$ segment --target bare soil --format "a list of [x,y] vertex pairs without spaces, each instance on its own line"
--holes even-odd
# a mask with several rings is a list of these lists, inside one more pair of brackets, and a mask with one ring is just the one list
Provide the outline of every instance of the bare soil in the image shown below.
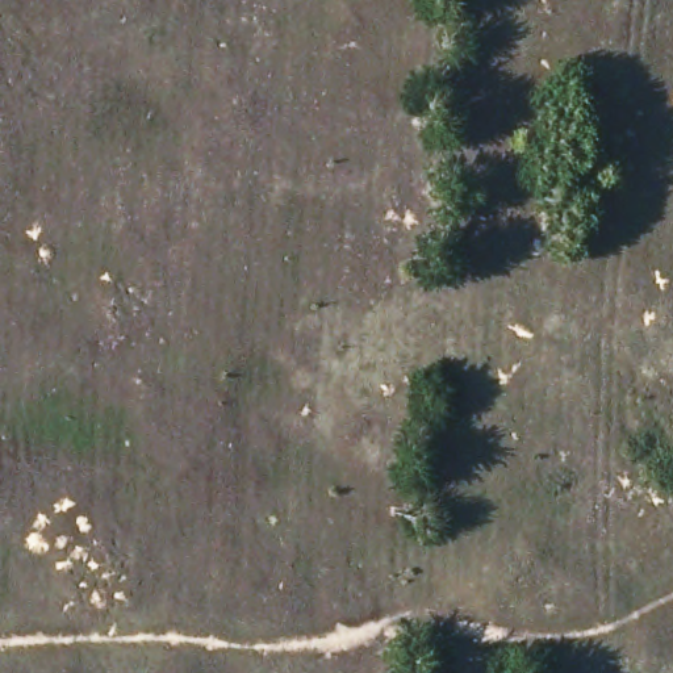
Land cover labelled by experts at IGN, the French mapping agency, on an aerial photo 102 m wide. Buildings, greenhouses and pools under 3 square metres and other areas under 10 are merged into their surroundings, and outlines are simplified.
[[47,542],[42,539],[42,534],[47,518],[37,515],[26,544],[34,552],[45,552]]
[[66,560],[55,563],[55,570],[68,570],[71,565],[76,565],[76,560],[81,560],[89,570],[97,568],[97,560],[87,555],[84,547],[76,547]]

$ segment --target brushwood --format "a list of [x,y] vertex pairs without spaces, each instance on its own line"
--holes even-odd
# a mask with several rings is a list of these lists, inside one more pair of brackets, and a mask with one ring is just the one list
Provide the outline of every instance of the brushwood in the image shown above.
[[460,145],[455,152],[436,168],[439,181],[434,184],[434,189],[442,197],[442,216],[434,221],[429,234],[418,234],[421,260],[413,260],[407,266],[407,273],[418,279],[421,289],[465,284],[457,263],[447,266],[442,260],[442,244],[450,229],[468,223],[465,216],[457,210],[463,189],[460,166],[468,163],[468,147]]
[[657,492],[673,494],[673,444],[660,429],[655,407],[647,407],[639,431],[628,426],[618,429],[618,436],[628,444],[631,460],[644,463],[647,473],[657,478]]
[[429,476],[426,431],[429,418],[444,413],[450,386],[442,381],[442,368],[431,363],[429,368],[413,371],[410,376],[407,418],[402,421],[400,436],[394,442],[397,463],[389,465],[392,484],[405,502],[392,505],[389,515],[394,515],[402,523],[402,534],[415,544],[442,547],[444,542],[436,534],[439,521],[434,515],[434,484]]

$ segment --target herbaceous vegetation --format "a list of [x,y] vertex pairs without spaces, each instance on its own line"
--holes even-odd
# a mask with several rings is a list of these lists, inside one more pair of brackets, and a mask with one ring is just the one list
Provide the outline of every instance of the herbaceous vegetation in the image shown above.
[[[176,631],[189,636],[216,636],[226,641],[281,641],[302,636],[326,636],[339,626],[355,628],[386,618],[397,610],[410,610],[410,618],[431,620],[429,649],[436,657],[436,668],[431,673],[489,673],[489,660],[497,652],[505,652],[505,641],[486,641],[484,634],[489,626],[505,631],[552,634],[555,639],[521,641],[518,647],[523,649],[526,660],[536,668],[534,673],[673,673],[673,602],[610,634],[594,639],[573,636],[576,628],[610,623],[641,607],[649,599],[673,592],[673,494],[657,492],[657,478],[647,473],[644,463],[631,460],[628,444],[618,436],[618,429],[628,426],[639,431],[647,407],[655,407],[660,429],[673,444],[673,0],[460,0],[460,13],[471,21],[471,32],[476,37],[473,58],[460,60],[455,68],[447,71],[452,97],[444,103],[444,108],[460,124],[460,145],[468,147],[468,163],[460,166],[463,189],[457,210],[465,216],[468,223],[450,229],[442,244],[442,260],[447,266],[457,263],[465,284],[421,289],[418,279],[407,273],[407,266],[413,260],[421,260],[418,234],[429,234],[434,221],[442,216],[442,197],[434,189],[434,184],[439,181],[436,168],[455,152],[426,150],[421,142],[421,118],[402,108],[405,81],[415,71],[421,74],[423,68],[436,68],[450,55],[455,42],[455,34],[444,24],[429,26],[415,16],[413,0],[0,0],[0,639],[29,634],[105,634],[108,628],[116,628],[118,634]],[[578,55],[584,58],[581,87],[589,95],[586,116],[594,124],[597,142],[592,168],[570,181],[578,192],[589,189],[599,197],[594,205],[586,205],[589,213],[597,213],[599,223],[584,237],[584,244],[570,252],[570,263],[557,266],[542,250],[544,231],[539,229],[536,218],[544,213],[544,200],[534,197],[518,181],[518,152],[526,147],[526,131],[521,129],[521,124],[536,118],[531,108],[531,92],[542,79],[549,76],[549,68],[560,71],[570,58]],[[431,363],[442,368],[442,381],[450,386],[444,413],[429,418],[426,431],[429,476],[434,484],[434,515],[439,521],[436,534],[444,542],[442,547],[415,544],[402,534],[402,523],[394,515],[389,515],[392,505],[405,502],[392,484],[389,465],[397,463],[394,442],[400,436],[402,421],[407,418],[410,376],[413,371],[429,368]],[[26,544],[37,515],[47,518],[42,534],[42,539],[47,542],[45,552],[34,552]],[[97,568],[89,570],[81,560],[76,560],[76,565],[71,565],[68,570],[55,570],[55,563],[66,560],[76,547],[84,547],[87,555],[97,560]]]
[[392,639],[373,636],[365,644],[339,652],[242,652],[152,641],[34,644],[0,649],[0,673],[384,673],[386,668],[381,655],[389,649]]

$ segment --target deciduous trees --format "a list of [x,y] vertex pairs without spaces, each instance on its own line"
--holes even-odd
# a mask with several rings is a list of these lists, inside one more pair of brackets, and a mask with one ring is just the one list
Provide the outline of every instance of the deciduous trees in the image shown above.
[[455,42],[450,55],[436,68],[423,68],[421,74],[415,71],[405,81],[402,108],[421,118],[421,142],[426,150],[455,152],[460,145],[460,124],[444,108],[444,103],[452,97],[447,71],[455,68],[460,60],[473,58],[476,37],[471,32],[471,21],[460,13],[460,0],[413,0],[415,16],[429,26],[444,24],[455,34]]
[[384,673],[431,673],[436,668],[436,657],[429,649],[431,620],[410,618],[400,620],[397,636],[392,639],[389,649],[381,655],[386,668]]
[[526,660],[523,649],[518,647],[521,641],[505,641],[505,652],[497,652],[489,660],[489,673],[534,673],[536,668]]
[[549,76],[542,79],[531,92],[531,108],[536,118],[521,124],[521,129],[526,131],[526,147],[518,152],[518,181],[534,197],[544,200],[544,213],[536,218],[539,229],[544,231],[542,250],[557,266],[570,263],[570,252],[584,244],[584,237],[599,223],[597,213],[589,213],[586,205],[594,205],[599,197],[589,189],[578,192],[570,181],[592,168],[597,142],[594,124],[586,116],[589,95],[581,87],[584,58],[578,55],[570,58],[560,71],[549,68]]

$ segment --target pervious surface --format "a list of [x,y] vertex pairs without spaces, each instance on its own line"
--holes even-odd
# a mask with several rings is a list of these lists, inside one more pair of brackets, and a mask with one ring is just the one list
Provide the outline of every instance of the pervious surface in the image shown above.
[[552,634],[505,631],[489,626],[484,634],[486,641],[505,641],[521,641],[555,639]]
[[610,634],[673,602],[673,592],[649,599],[641,607],[610,623],[576,628],[573,636],[594,639]]
[[242,652],[339,652],[365,644],[373,636],[392,639],[397,636],[400,620],[410,618],[410,610],[397,610],[386,618],[355,628],[339,626],[326,636],[302,636],[281,641],[226,641],[216,636],[189,636],[176,631],[118,634],[116,628],[108,628],[105,634],[29,634],[0,639],[0,649],[34,644],[152,641]]

